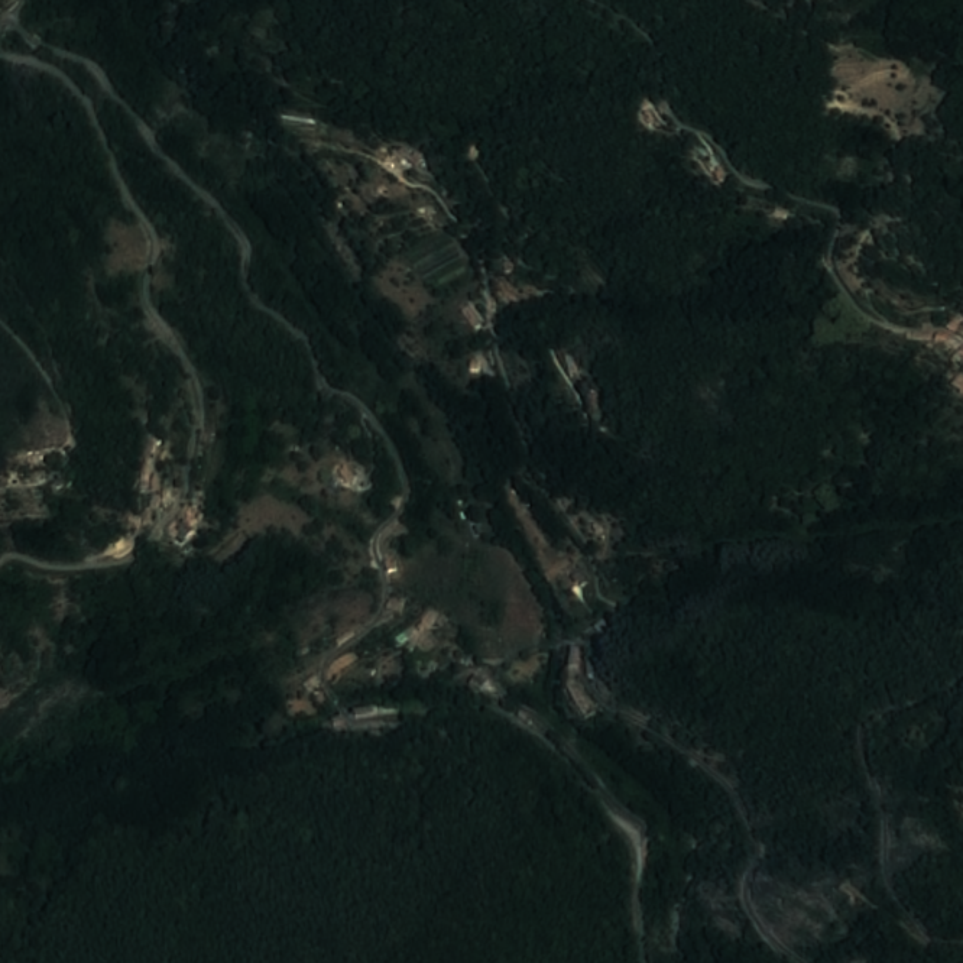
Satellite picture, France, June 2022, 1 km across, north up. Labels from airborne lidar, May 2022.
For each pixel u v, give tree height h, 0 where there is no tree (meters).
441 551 9
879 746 11
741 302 17
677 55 16
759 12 17
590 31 13
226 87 17
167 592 21
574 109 13
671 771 16
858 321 13
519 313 11
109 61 11
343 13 10
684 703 9
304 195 17
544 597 15
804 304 14
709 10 16
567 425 12
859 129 13
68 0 17
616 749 11
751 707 21
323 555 12
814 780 12
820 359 14
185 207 12
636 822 0
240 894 11
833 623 22
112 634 12
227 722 23
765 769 15
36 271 6
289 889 11
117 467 14
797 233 16
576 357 9
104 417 16
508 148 10
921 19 22
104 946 15
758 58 13
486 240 20
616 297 20
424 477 12
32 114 8
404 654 10
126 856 18
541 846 24
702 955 17
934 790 11
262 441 10
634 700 15
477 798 13
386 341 23
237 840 19
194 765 19
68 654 9
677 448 18
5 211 9
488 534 12
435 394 20
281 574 16
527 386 16
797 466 19
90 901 12
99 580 10
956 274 9
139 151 13
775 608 21
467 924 23
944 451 17
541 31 19
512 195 8
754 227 12
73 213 9
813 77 15
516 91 18
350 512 0
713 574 23
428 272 0
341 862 16
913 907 12
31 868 13
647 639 23
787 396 21
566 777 21
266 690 12
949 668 16
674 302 19
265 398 14
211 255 12
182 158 7
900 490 13
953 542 13
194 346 7
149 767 27
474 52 15
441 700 11
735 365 12
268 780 20
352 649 6
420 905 15
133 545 8
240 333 14
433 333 8
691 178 7
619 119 10
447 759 15
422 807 15
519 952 14
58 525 9
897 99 0
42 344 8
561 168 17
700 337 14
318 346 16
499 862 21
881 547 12
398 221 8
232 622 15
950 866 10
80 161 7
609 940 17
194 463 8
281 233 19
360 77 15
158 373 11
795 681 18
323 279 18
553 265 16
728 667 20
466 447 17
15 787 24
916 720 15
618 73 16
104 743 17
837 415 18
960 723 17
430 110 16
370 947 13
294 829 14
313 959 12
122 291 10
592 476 21
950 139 15
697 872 16
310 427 15
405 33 11
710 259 9
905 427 9
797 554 36
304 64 13
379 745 21
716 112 19
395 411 13
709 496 13
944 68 13
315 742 14
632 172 14
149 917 16
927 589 18
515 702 19
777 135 16
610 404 20
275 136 16
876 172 9
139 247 0
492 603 8
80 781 14
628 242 13
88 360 18
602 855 16
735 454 23
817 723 23
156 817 17
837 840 9
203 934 20
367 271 16
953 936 9
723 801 9
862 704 15
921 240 6
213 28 16
